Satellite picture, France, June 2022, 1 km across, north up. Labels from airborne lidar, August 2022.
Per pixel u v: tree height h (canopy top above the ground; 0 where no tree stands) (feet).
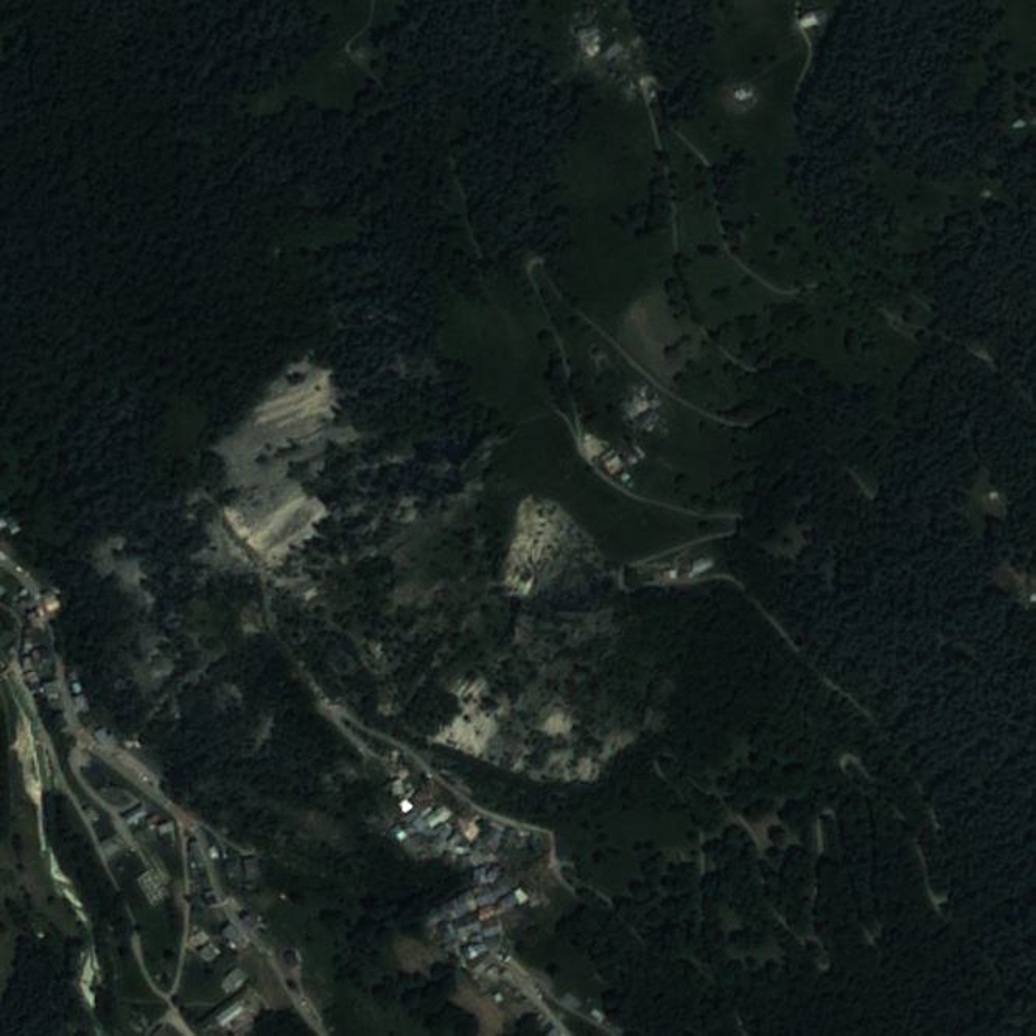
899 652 95
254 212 54
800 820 71
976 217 29
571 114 77
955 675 98
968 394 76
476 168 66
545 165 61
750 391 44
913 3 94
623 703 51
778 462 67
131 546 39
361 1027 0
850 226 62
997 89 65
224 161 48
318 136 55
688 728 63
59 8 81
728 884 60
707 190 33
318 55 41
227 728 51
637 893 68
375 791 22
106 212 54
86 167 77
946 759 66
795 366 53
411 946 0
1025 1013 51
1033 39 0
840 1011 78
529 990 0
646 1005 64
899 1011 61
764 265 0
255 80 52
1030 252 76
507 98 69
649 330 0
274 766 48
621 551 0
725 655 83
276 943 0
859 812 80
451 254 61
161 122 80
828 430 66
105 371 74
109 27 69
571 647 47
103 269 83
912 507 88
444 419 44
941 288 79
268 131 77
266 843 21
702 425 24
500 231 64
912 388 50
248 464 0
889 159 64
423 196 47
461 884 20
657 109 34
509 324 0
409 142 67
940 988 95
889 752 61
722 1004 65
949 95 51
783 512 54
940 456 73
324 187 62
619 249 0
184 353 64
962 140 64
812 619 76
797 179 46
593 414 26
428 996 73
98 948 38
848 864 64
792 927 56
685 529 0
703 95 50
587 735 30
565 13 0
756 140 0
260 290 49
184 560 31
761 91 0
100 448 116
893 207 25
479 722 0
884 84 38
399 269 76
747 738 56
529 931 25
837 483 42
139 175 80
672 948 79
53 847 42
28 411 59
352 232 0
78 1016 35
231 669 48
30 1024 78
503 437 20
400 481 31
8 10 59
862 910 65
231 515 0
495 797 22
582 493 0
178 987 0
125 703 44
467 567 25
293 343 66
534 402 0
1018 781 72
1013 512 61
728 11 38
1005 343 63
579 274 0
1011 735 52
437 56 63
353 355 77
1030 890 42
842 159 52
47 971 56
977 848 51
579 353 0
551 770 23
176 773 55
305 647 28
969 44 70
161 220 75
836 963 57
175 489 61
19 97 73
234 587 38
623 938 64
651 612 66
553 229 53
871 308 30
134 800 0
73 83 67
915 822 25
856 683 59
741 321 34
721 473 0
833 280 37
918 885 54
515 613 18
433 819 0
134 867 0
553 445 0
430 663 30
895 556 88
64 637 23
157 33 54
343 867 43
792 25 0
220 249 69
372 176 59
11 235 84
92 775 0
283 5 52
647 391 0
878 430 73
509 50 75
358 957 31
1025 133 0
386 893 28
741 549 71
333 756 51
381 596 31
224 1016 0
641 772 74
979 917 58
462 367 59
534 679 42
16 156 68
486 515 30
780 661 66
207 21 60
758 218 29
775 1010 63
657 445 0
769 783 78
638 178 0
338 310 45
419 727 17
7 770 46
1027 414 63
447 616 24
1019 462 76
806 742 66
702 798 68
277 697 33
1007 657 88
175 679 39
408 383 31
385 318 23
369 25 0
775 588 59
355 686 26
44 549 46
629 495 0
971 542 72
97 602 80
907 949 60
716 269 0
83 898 42
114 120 80
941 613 80
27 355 72
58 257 95
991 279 94
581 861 35
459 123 0
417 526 0
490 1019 0
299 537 0
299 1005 0
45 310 60
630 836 0
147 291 78
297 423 0
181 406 0
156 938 0
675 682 41
